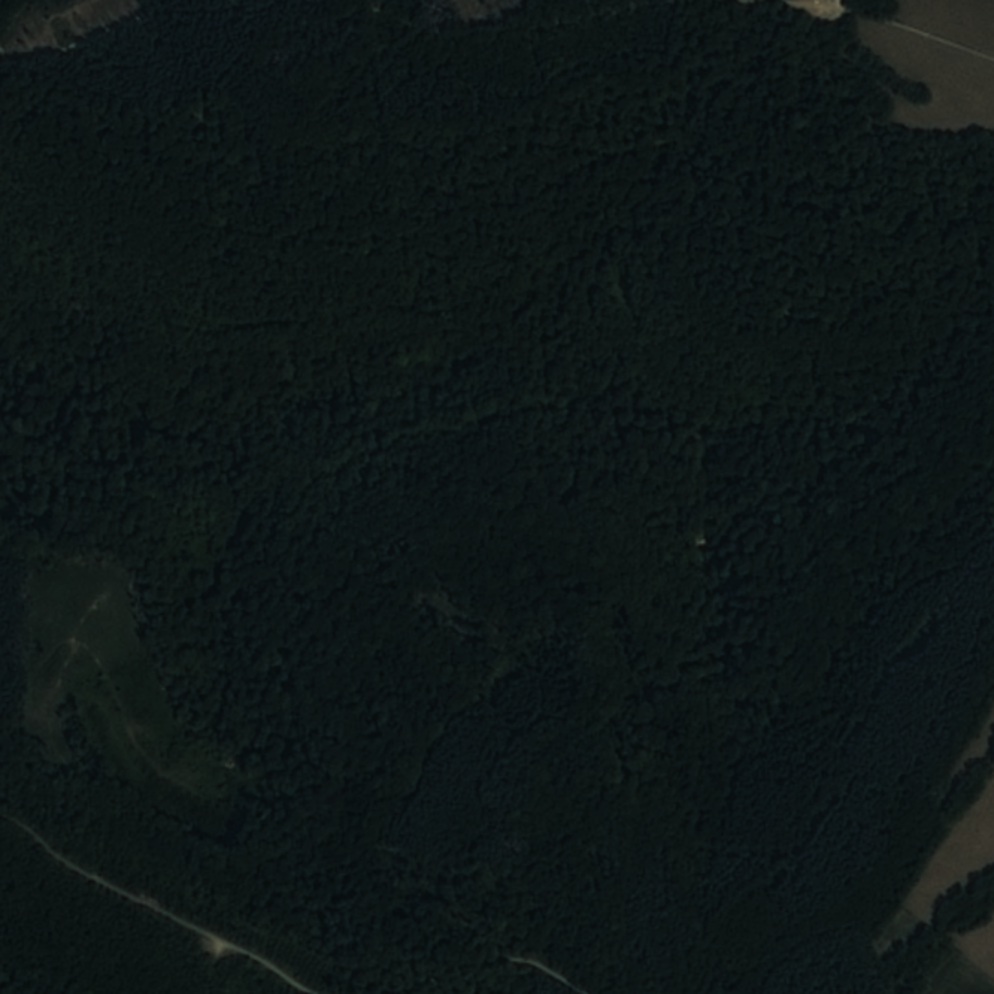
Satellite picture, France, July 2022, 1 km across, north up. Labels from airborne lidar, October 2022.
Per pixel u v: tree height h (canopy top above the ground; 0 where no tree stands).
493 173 28
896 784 22
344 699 26
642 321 23
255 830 31
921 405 31
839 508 32
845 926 11
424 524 31
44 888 10
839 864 21
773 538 33
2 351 23
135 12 0
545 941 18
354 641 32
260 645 40
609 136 30
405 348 26
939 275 24
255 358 21
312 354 27
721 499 36
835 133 26
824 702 23
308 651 38
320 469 22
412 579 29
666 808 28
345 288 26
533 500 32
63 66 17
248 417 22
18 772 29
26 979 23
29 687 18
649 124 29
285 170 23
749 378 20
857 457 29
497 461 36
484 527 33
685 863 26
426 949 24
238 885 19
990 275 26
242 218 22
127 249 22
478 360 25
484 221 28
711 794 27
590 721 20
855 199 29
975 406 34
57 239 22
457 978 23
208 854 26
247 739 31
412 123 21
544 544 25
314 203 28
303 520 30
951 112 0
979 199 26
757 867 22
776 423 37
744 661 37
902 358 28
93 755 12
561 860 15
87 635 0
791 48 19
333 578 36
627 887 17
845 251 28
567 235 25
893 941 0
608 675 29
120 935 10
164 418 21
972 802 15
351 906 31
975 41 0
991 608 26
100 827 16
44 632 0
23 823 11
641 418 37
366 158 28
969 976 0
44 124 24
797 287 28
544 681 14
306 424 33
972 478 26
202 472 21
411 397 28
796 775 27
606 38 16
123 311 19
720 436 29
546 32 18
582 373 22
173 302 9
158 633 25
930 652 24
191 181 23
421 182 27
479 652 29
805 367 33
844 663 26
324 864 16
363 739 29
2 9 23
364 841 24
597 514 38
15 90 25
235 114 24
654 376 29
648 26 16
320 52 24
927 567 27
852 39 18
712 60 26
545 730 22
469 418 35
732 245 27
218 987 6
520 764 29
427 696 16
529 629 31
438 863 20
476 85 16
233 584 37
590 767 18
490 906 21
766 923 13
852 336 21
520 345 30
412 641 27
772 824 27
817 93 15
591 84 27
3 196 22
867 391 38
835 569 30
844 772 16
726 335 21
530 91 17
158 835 20
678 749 24
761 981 11
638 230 13
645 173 29
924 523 25
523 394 32
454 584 30
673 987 18
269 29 25
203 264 21
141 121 27
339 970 6
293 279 27
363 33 26
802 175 28
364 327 29
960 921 19
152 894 6
